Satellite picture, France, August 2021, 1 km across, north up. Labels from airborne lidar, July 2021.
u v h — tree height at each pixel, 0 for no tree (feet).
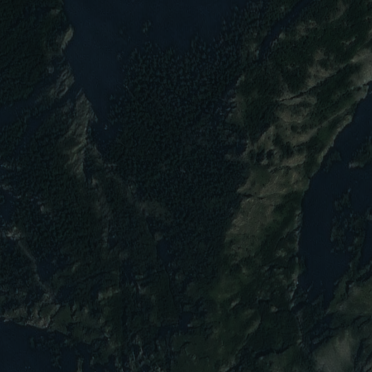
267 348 18
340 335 0
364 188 35
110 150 47
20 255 28
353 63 29
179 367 0
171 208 21
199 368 0
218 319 0
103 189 24
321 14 56
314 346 0
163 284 20
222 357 0
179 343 0
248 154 31
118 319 18
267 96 27
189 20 80
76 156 0
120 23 21
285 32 21
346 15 45
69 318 0
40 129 47
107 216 0
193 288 0
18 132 59
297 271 0
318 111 23
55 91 0
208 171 20
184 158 19
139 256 28
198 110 38
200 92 25
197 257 22
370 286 0
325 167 40
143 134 73
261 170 0
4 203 27
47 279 21
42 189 48
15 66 66
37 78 28
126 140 45
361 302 0
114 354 0
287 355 0
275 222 21
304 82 35
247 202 0
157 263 18
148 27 39
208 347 0
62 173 39
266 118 37
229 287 0
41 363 43
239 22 31
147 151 23
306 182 0
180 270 26
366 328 0
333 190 36
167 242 32
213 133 25
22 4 45
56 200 26
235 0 31
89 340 0
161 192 37
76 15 0
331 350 0
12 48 51
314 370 0
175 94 49
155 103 54
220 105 21
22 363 0
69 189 36
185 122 49
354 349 0
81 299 24
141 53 50
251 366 17
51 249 23
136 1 27
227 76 37
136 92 71
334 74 40
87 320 0
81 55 0
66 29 23
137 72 40
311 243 30
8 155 38
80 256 26
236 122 0
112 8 35
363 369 0
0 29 84
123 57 28
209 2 40
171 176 24
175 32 52
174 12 41
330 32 48
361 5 52
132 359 27
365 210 24
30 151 81
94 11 40
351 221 24
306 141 24
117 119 50
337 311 0
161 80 65
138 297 18
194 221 26
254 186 23
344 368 0
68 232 32
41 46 24
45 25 25
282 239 28
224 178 20
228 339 0
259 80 35
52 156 32
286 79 28
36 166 46
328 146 0
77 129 0
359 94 0
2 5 92
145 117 75
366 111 0
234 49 73
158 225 18
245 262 23
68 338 25
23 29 63
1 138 50
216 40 39
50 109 31
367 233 24
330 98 28
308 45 31
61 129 19
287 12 64
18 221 25
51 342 18
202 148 42
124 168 42
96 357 21
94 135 30
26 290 0
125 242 28
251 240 0
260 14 54
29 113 38
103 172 18
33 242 22
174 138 19
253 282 17
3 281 25
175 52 56
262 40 21
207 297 0
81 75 0
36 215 34
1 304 0
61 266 30
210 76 51
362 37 45
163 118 112
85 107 0
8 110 25
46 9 66
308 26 21
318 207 18
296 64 20
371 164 26
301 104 40
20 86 40
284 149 19
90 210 21
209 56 57
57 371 23
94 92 0
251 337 18
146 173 23
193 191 31
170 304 18
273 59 50
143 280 35
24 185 49
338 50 46
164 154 45
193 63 58
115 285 23
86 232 24
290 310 20
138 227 24
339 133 0
